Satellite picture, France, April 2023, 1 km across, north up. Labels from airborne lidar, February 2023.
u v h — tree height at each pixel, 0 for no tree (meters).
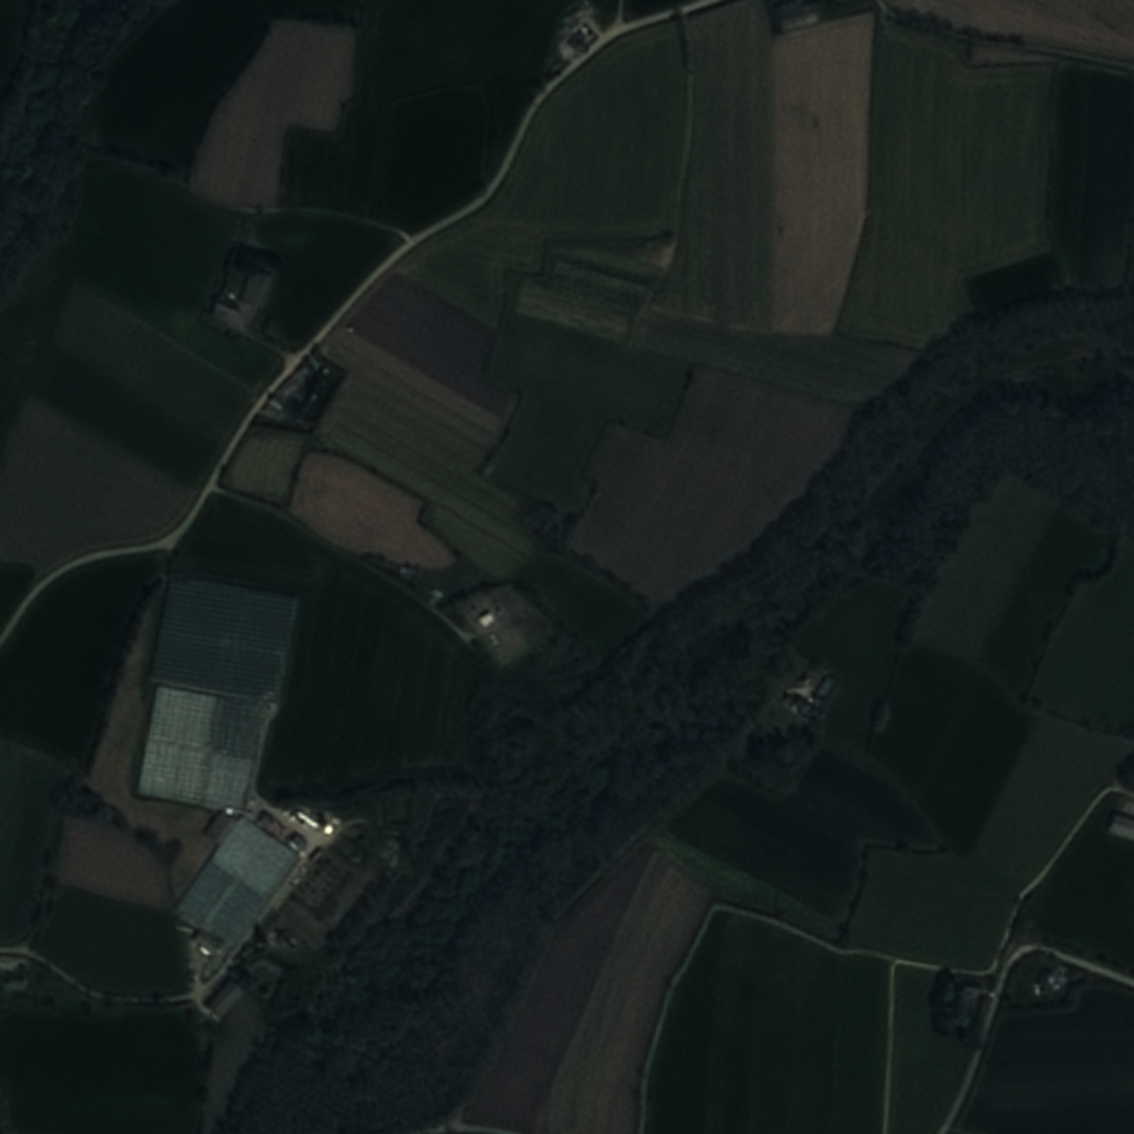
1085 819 0
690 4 0
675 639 24
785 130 0
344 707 0
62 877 0
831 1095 0
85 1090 0
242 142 0
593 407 0
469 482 0
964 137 0
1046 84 0
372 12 0
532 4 0
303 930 0
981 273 0
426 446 0
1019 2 0
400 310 0
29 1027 0
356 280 0
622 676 16
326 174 0
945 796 0
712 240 0
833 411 0
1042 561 0
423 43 0
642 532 0
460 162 0
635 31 0
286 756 0
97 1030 0
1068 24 0
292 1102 29
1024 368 0
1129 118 0
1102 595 0
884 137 0
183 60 0
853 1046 0
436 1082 24
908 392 20
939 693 0
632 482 0
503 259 0
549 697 0
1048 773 0
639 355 0
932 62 0
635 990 0
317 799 18
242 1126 26
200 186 0
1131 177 0
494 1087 0
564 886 8
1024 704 8
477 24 0
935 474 24
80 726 0
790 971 0
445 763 0
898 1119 0
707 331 0
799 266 0
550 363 0
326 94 0
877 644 0
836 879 0
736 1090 0
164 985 0
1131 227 7
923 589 17
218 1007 0
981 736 0
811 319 0
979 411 17
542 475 0
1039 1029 0
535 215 0
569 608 0
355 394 0
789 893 0
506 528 0
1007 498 0
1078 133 0
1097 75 0
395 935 9
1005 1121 0
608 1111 0
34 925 11
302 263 0
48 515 0
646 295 0
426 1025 22
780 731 0
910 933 0
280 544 0
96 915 0
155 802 0
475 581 0
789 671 13
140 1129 0
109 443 0
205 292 0
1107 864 0
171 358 0
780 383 0
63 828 0
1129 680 0
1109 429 19
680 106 0
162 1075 0
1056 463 22
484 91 0
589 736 20
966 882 0
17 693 0
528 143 0
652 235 0
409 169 0
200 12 0
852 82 0
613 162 0
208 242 0
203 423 0
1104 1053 0
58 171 19
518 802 11
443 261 0
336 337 0
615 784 33
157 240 0
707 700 32
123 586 0
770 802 0
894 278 0
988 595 0
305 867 0
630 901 0
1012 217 0
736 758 0
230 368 0
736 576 20
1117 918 0
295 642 0
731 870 0
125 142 0
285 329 0
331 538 0
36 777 0
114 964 0
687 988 0
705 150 0
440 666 0
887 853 0
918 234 0
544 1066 0
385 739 0
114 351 0
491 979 22
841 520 14
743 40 0
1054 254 0
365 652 0
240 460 0
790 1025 0
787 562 20
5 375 0
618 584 9
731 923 0
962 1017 14
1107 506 22
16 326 0
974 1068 0
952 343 15
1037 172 0
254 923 0
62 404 0
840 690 0
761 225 0
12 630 0
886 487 0
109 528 0
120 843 0
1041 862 0
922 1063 0
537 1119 0
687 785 19
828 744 0
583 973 0
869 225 0
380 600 0
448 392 0
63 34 9
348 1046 13
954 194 0
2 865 0
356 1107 23
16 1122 0
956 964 0
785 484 0
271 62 0
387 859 0
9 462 0
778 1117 0
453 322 0
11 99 15
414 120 0
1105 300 15
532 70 0
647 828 18
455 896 8
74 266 0
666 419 0
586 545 0
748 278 0
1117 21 0
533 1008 0
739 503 0
